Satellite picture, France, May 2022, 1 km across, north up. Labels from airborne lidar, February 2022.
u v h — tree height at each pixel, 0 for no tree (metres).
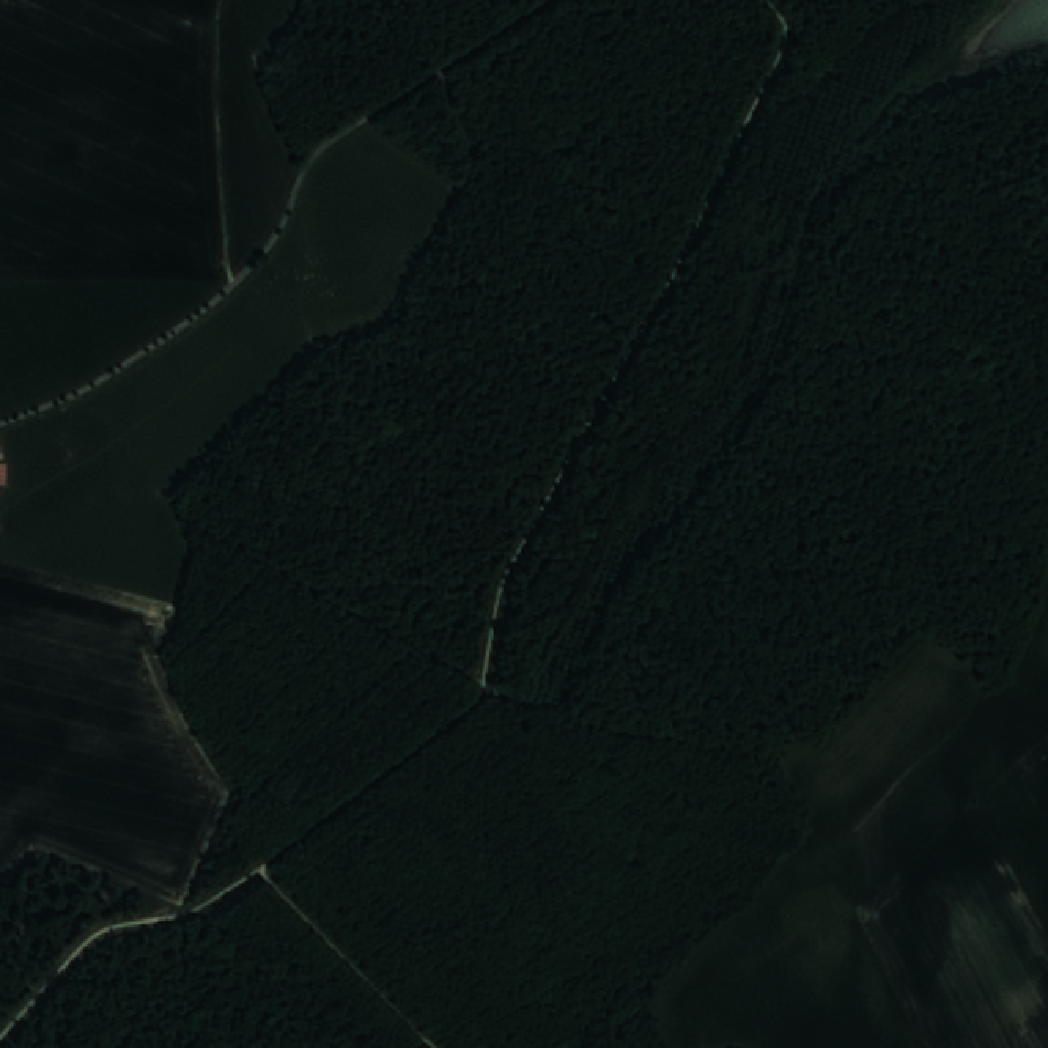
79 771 0
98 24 0
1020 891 0
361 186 0
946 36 19
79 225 0
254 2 0
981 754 0
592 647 18
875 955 0
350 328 0
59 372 0
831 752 0
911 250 25
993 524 27
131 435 0
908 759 0
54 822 0
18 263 0
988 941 0
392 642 19
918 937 0
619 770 15
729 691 27
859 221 22
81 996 21
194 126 0
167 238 0
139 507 0
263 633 17
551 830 18
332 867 18
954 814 0
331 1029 17
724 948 0
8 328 0
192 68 0
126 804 0
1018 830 0
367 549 22
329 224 0
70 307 0
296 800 18
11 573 0
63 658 0
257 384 0
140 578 0
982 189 26
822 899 0
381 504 21
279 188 0
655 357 22
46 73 0
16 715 0
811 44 21
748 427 21
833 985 0
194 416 0
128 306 0
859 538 23
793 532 25
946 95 23
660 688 26
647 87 20
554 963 15
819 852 0
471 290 22
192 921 15
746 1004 0
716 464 7
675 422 20
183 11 0
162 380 0
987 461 26
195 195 0
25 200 0
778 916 0
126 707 0
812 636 26
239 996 20
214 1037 21
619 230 23
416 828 21
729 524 28
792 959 0
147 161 0
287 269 0
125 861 0
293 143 11
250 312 0
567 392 20
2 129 0
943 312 26
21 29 0
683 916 17
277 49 17
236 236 0
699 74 23
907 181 25
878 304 23
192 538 18
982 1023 0
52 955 21
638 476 20
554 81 21
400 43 21
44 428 0
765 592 25
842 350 21
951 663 0
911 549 22
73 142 0
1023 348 22
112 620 0
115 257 0
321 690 16
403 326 21
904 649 18
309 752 19
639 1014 16
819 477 23
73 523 0
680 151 23
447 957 19
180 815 0
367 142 0
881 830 0
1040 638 0
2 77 0
